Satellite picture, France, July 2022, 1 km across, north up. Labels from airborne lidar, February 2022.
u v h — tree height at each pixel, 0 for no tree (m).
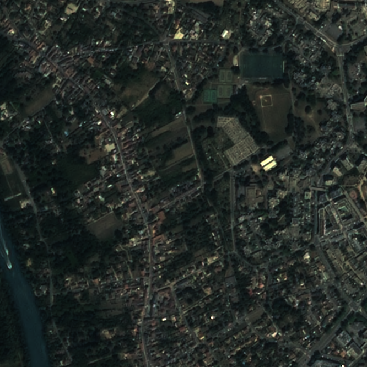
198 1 0
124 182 0
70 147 11
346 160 0
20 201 0
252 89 0
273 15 0
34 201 6
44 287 0
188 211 7
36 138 9
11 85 17
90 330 16
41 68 0
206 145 0
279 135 0
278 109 0
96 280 0
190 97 0
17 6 0
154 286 0
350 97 0
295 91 11
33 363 0
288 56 15
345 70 10
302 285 0
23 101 0
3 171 0
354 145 0
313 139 0
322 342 0
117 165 0
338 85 0
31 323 0
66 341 10
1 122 12
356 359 0
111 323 6
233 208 0
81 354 23
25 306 0
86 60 8
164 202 0
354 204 0
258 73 0
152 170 0
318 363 0
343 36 9
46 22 0
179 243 8
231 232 5
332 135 9
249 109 15
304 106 0
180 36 0
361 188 0
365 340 0
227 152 0
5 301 31
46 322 11
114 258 6
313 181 0
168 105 8
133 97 0
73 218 7
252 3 6
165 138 0
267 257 9
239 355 19
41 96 0
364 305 17
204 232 6
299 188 0
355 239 0
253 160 10
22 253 17
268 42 9
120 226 0
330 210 0
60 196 21
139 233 6
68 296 7
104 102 0
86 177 0
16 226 20
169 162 0
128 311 7
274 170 12
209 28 8
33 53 0
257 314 0
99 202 0
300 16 0
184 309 0
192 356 11
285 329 10
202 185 0
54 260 7
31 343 0
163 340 6
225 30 0
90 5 6
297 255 9
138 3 0
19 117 0
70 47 0
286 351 11
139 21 6
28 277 8
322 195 0
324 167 10
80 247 17
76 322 14
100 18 9
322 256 0
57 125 11
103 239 0
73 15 7
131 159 0
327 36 0
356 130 0
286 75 15
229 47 10
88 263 0
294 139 11
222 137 0
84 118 16
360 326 0
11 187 0
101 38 0
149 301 0
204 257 0
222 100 0
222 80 0
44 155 9
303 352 0
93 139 16
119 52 6
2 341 7
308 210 11
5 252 0
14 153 22
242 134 0
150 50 10
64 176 8
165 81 6
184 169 0
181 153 0
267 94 0
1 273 10
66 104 8
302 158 6
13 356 38
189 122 11
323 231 0
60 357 10
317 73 14
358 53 12
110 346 14
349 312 0
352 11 0
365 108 0
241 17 0
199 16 0
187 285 0
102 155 0
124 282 6
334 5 0
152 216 6
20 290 0
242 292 9
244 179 11
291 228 0
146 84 0
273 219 12
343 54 0
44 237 9
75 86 0
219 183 6
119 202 0
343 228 0
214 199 13
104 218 0
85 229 9
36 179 0
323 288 0
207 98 0
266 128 0
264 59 0
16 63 13
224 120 0
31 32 8
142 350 0
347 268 0
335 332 0
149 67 7
